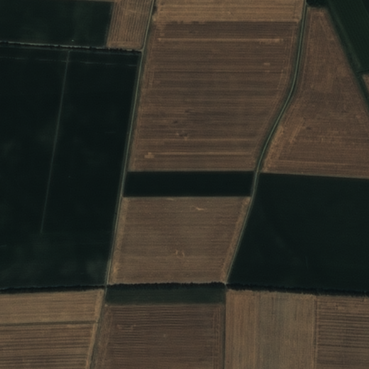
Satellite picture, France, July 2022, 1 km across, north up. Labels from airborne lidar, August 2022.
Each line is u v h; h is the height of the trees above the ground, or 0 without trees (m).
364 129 0
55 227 0
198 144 0
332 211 0
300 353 0
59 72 0
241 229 0
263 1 0
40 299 0
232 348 0
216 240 0
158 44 0
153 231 0
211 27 0
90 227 0
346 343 0
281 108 0
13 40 0
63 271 0
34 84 0
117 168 0
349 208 0
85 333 0
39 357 0
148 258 0
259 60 0
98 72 0
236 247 0
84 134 0
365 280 0
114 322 0
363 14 0
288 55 0
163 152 0
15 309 0
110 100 0
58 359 0
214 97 0
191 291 0
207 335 0
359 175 0
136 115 0
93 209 0
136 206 0
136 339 0
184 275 0
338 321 0
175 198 0
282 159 0
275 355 0
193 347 0
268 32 0
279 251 0
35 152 0
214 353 0
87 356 0
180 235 0
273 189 0
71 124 0
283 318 0
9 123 0
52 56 0
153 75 0
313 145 0
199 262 0
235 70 0
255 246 0
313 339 0
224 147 0
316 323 0
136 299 0
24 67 0
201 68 0
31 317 0
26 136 0
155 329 0
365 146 0
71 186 0
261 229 0
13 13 0
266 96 0
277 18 0
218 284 12
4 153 0
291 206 0
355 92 0
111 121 0
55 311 0
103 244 0
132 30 0
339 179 0
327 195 0
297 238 0
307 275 0
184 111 0
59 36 0
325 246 0
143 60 0
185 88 0
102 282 0
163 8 0
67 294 0
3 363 0
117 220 0
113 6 0
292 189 0
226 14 0
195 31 0
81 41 0
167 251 0
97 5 0
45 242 0
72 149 0
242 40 0
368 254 0
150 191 0
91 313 0
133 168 0
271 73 0
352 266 0
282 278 0
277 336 0
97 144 0
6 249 0
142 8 0
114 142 0
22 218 0
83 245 0
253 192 0
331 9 0
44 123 0
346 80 0
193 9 0
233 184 0
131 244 0
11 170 0
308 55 0
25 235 0
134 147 0
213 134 0
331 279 0
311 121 0
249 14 0
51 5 0
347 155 0
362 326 0
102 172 0
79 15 0
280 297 0
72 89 0
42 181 0
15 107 0
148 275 0
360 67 0
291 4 0
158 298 0
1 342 0
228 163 0
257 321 0
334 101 0
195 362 0
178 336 0
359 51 0
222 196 0
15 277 0
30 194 0
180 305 0
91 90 0
